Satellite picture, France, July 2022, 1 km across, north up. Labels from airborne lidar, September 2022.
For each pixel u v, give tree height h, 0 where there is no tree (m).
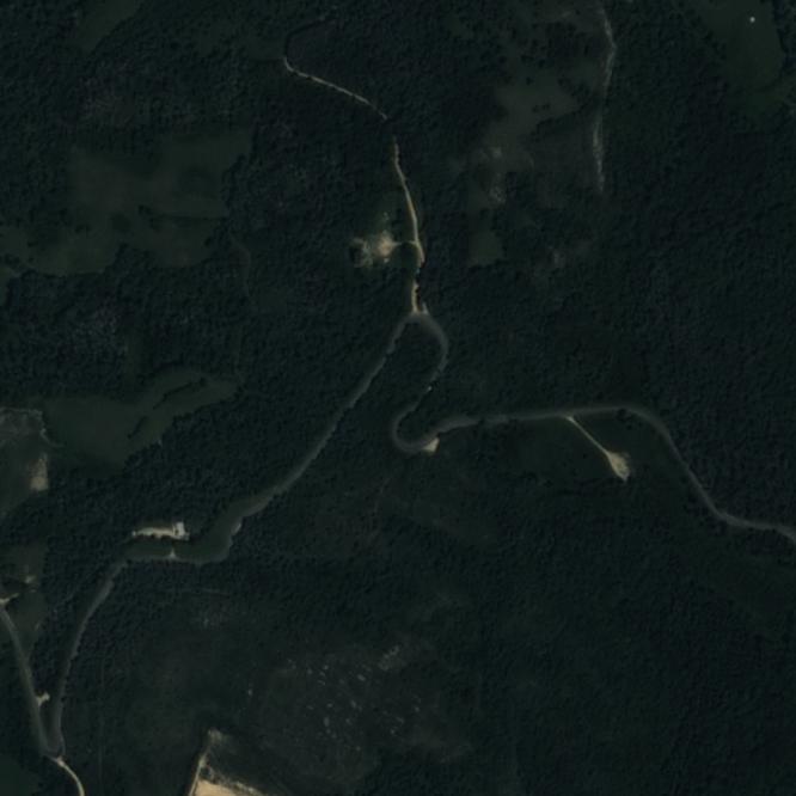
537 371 13
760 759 18
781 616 6
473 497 9
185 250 0
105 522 14
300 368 8
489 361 8
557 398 14
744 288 19
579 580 10
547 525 15
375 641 8
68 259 0
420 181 8
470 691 13
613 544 14
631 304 11
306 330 11
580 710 8
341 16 16
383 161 7
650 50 17
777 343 8
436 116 16
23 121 11
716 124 20
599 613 8
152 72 9
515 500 8
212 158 0
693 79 21
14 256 9
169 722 0
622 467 0
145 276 11
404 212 10
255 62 8
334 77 15
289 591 7
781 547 15
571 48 13
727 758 14
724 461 19
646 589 13
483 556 14
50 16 24
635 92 12
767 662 16
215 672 0
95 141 7
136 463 20
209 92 13
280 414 9
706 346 14
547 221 8
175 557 0
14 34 19
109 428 0
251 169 20
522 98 0
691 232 10
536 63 11
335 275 7
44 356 24
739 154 15
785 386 6
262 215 21
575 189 7
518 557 9
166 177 0
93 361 21
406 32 21
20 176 8
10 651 6
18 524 10
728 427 14
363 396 6
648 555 11
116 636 8
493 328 6
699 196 14
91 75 7
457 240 14
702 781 18
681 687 13
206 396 0
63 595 7
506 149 0
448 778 8
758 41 0
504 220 6
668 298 22
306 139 16
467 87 9
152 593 8
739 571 7
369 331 15
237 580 9
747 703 16
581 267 9
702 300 17
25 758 16
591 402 7
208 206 0
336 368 7
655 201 29
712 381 12
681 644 20
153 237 0
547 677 9
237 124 13
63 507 12
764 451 15
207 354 17
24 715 13
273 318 6
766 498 19
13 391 7
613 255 14
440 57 20
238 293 6
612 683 12
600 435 0
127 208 0
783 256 13
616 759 11
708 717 21
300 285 6
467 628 7
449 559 13
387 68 15
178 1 9
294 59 13
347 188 16
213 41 0
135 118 10
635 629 17
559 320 17
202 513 14
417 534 9
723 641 24
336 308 12
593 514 17
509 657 8
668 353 10
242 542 9
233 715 0
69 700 7
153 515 12
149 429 0
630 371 6
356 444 7
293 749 0
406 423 9
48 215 20
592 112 7
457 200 8
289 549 8
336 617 6
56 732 0
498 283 15
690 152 20
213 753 0
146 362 7
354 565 6
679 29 21
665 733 15
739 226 22
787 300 11
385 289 11
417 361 10
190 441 18
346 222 10
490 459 12
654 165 24
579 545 16
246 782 0
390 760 14
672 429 10
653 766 13
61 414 0
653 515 10
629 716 6
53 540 10
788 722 16
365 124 17
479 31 14
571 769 7
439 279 17
